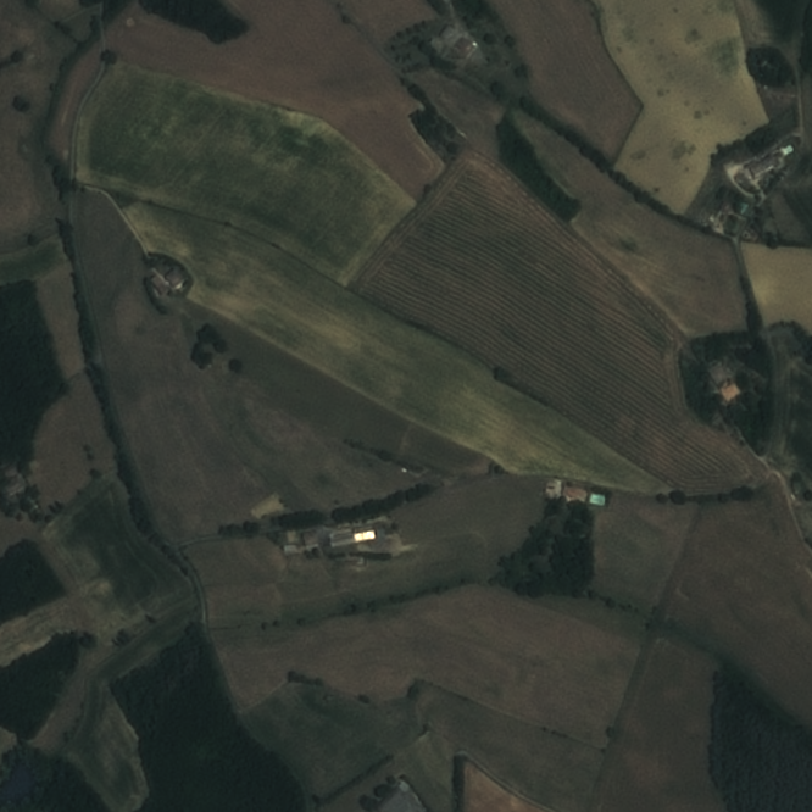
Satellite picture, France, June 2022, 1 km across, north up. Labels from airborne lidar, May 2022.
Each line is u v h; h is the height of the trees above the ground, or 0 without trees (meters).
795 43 0
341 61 0
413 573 0
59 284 0
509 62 6
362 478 0
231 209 0
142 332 0
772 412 9
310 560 11
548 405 6
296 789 18
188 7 20
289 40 0
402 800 0
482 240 0
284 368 0
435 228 0
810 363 13
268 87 0
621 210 0
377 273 0
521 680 0
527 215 0
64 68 9
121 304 0
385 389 0
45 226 0
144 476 0
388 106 0
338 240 0
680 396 0
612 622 0
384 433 0
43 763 14
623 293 0
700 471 0
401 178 0
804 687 0
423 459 0
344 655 0
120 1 15
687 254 0
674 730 0
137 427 0
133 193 0
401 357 0
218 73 0
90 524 0
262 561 0
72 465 0
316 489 0
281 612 0
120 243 0
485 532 0
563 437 0
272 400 0
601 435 0
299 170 0
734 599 0
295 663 0
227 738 11
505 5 0
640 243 0
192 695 15
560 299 0
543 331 0
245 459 0
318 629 0
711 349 8
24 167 0
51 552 0
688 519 0
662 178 0
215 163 0
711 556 0
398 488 0
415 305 0
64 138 0
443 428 0
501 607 0
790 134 0
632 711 0
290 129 0
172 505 0
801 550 0
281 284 0
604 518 0
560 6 0
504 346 0
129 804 0
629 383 0
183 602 0
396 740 0
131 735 0
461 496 0
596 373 0
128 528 0
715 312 0
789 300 0
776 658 0
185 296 0
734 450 0
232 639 0
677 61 0
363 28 0
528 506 0
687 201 0
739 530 0
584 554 20
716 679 10
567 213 7
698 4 0
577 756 0
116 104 0
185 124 0
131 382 0
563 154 0
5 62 6
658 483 0
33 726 13
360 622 0
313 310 0
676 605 0
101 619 0
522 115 0
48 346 16
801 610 0
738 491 9
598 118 0
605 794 0
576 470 0
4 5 0
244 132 0
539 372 0
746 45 0
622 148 0
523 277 0
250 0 0
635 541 0
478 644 0
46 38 0
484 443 0
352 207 0
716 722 14
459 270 0
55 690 9
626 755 0
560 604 0
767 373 7
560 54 0
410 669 0
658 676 0
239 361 7
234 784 14
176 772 9
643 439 0
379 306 0
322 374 0
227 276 0
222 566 0
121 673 0
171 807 11
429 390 0
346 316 0
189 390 0
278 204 0
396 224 0
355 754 0
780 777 20
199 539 0
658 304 0
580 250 0
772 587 0
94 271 0
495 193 0
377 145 0
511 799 0
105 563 0
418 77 0
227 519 0
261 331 0
